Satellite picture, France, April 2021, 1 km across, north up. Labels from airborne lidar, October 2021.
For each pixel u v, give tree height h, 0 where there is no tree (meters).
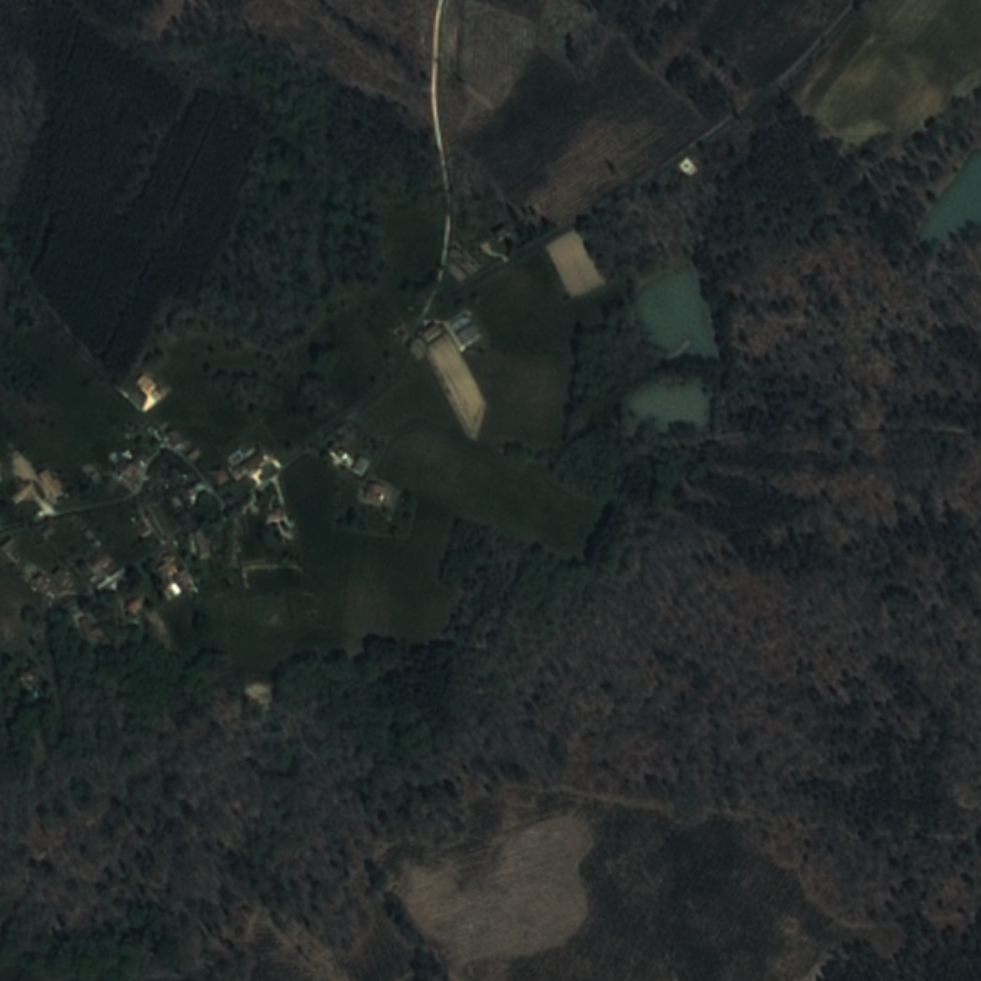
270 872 12
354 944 11
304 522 0
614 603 16
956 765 8
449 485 0
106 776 21
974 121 17
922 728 6
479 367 0
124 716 11
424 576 0
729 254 19
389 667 11
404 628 0
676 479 14
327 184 18
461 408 0
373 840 11
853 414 12
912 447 16
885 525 15
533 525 0
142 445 10
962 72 0
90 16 11
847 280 21
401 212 0
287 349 16
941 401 10
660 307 0
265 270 12
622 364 14
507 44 0
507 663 15
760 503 13
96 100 14
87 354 13
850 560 14
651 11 24
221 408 0
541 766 15
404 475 0
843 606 9
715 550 12
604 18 27
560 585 18
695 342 0
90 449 0
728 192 22
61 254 13
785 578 7
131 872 18
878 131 0
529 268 0
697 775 7
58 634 20
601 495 17
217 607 0
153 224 15
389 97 0
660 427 12
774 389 15
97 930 10
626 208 13
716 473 9
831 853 11
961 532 27
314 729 17
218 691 15
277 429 0
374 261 15
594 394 22
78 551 8
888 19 0
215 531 11
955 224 0
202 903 30
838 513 9
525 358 0
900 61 0
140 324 15
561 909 0
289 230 14
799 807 12
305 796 19
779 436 22
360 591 0
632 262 13
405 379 0
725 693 7
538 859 0
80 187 13
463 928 0
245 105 15
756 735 11
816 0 0
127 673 21
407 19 9
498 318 0
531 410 0
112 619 10
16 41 15
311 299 19
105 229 12
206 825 20
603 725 9
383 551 0
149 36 20
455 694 21
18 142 14
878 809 12
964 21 0
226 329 13
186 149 14
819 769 10
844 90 0
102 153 12
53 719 19
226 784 13
